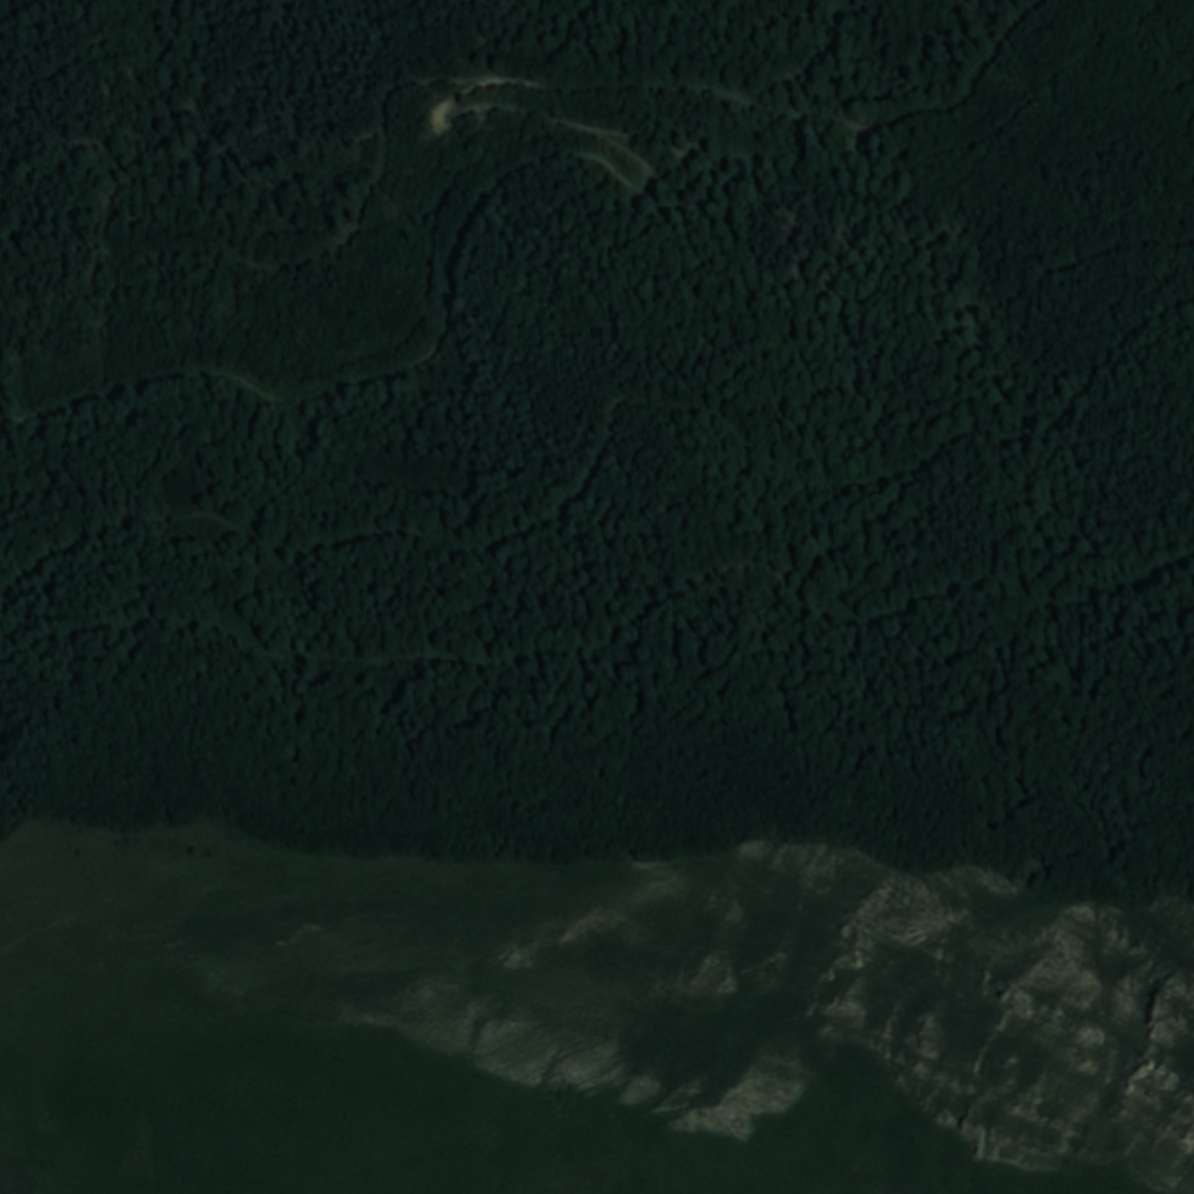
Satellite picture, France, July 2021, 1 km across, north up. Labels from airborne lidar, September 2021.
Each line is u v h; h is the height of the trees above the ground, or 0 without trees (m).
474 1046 0
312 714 27
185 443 25
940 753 17
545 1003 0
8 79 16
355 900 0
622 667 24
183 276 17
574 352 17
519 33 11
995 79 12
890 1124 0
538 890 0
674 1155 0
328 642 17
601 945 0
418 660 9
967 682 23
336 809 19
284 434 32
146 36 18
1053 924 0
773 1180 0
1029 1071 0
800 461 8
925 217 15
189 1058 0
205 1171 0
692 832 16
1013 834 24
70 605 21
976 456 22
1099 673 25
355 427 24
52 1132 0
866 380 19
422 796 20
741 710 23
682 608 24
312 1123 0
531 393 22
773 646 27
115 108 11
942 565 16
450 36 20
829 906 0
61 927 0
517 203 24
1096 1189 0
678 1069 0
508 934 0
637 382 16
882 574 27
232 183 30
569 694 28
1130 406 16
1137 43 15
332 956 0
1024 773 23
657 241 28
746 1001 0
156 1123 0
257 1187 0
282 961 0
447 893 0
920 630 23
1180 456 24
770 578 8
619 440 11
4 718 14
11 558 23
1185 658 20
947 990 0
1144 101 14
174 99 21
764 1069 0
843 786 22
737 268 28
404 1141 0
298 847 11
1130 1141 0
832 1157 0
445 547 11
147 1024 0
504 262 22
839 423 21
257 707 22
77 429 25
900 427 21
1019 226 18
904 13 25
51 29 23
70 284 15
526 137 11
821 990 0
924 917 0
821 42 29
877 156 29
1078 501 26
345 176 9
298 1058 0
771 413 29
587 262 14
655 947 0
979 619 24
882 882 0
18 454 24
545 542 20
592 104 14
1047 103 13
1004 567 24
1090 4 14
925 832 19
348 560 22
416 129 7
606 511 17
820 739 25
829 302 26
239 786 17
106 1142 0
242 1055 0
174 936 0
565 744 24
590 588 25
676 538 23
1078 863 18
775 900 0
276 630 23
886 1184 0
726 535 21
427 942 0
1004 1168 0
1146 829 16
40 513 17
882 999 0
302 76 19
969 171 20
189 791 15
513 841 15
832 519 31
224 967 0
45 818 10
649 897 0
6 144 12
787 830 14
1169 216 14
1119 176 15
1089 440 25
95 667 19
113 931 0
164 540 6
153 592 24
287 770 22
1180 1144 0
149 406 22
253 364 13
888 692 25
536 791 20
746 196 32
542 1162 0
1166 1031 0
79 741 21
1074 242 17
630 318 25
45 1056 0
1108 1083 0
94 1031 0
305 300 12
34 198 10
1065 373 13
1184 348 20
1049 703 25
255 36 23
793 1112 0
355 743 23
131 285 13
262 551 28
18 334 13
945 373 28
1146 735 20
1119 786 16
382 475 6
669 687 24
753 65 21
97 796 18
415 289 7
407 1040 0
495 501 27
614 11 28
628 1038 0
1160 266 18
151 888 0
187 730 22
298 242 10
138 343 8
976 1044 0
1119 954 0
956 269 30
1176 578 25
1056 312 18
